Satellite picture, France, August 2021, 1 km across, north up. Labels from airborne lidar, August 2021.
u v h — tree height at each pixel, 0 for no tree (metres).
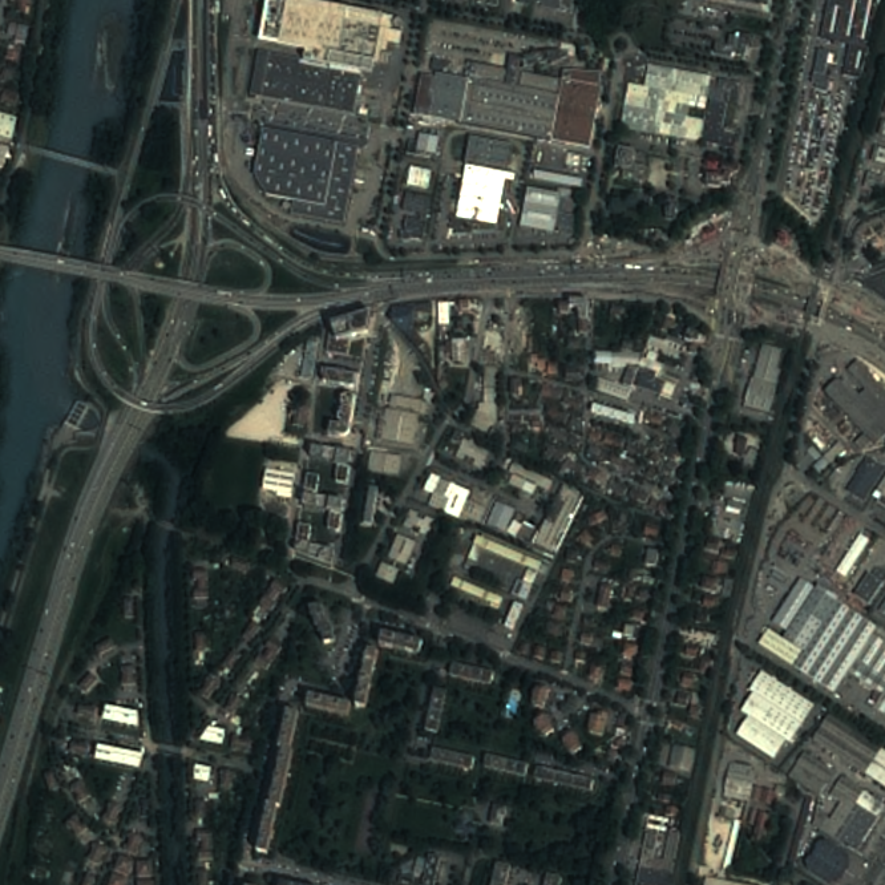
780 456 0
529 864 13
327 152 0
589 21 23
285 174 0
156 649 12
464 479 0
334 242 0
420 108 0
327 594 8
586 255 0
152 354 0
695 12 0
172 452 10
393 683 20
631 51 0
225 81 0
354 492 11
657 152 8
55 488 0
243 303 0
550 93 0
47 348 0
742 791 0
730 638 0
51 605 0
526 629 10
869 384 0
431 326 0
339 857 16
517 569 0
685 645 17
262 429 0
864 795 0
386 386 0
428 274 0
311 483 0
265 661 0
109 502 0
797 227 12
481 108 0
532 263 0
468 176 0
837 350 0
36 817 11
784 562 0
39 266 0
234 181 0
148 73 16
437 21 0
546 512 11
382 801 14
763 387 0
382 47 0
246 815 11
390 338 0
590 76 0
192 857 8
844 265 0
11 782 0
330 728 8
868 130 16
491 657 10
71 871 0
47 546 0
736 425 9
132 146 0
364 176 0
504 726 15
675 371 0
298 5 0
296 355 0
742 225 0
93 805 0
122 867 0
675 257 0
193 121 0
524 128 0
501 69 0
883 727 10
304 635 9
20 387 0
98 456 0
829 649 0
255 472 0
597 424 9
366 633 10
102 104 0
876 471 0
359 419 0
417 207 0
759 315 0
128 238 8
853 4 0
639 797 8
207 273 0
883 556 0
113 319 0
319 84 0
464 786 11
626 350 0
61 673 0
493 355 0
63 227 0
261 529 23
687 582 17
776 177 10
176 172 0
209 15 0
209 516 20
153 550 12
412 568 0
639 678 16
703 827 0
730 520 0
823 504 0
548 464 7
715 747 0
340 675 0
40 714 0
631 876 20
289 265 0
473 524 7
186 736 13
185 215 0
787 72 13
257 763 18
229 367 0
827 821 0
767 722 0
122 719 0
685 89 0
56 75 6
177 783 9
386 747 14
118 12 0
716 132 0
